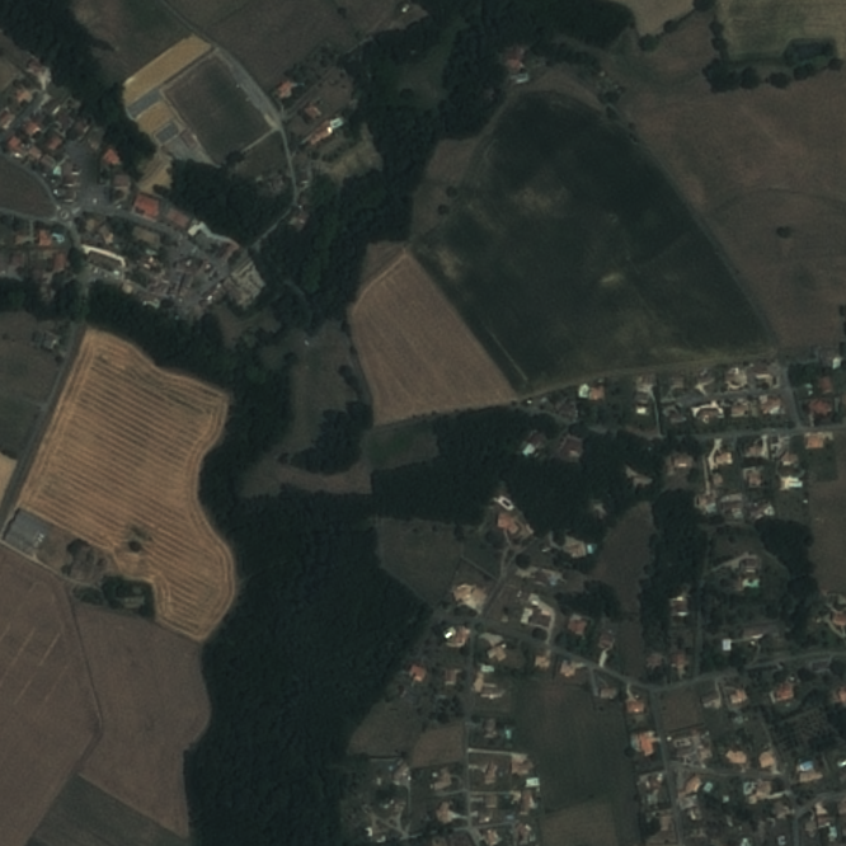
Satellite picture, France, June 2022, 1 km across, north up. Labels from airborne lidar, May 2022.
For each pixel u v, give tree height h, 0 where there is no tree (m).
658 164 0
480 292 0
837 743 12
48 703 0
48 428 0
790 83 13
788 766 0
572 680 0
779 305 0
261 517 17
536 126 0
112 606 7
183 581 0
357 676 16
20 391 0
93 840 0
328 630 16
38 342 9
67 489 0
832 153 0
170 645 0
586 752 0
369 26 0
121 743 0
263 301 17
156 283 0
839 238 0
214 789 23
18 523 0
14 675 0
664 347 0
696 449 16
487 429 14
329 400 0
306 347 0
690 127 0
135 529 0
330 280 30
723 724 0
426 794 0
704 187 0
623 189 0
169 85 0
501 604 0
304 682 11
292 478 0
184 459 0
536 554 0
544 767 0
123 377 0
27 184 0
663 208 0
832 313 0
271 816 25
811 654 0
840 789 7
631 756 8
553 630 0
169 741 0
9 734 0
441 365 0
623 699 8
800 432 0
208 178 21
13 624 0
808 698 14
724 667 10
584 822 0
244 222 15
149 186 0
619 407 7
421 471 14
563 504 19
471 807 0
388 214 18
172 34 0
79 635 0
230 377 14
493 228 0
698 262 0
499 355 0
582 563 16
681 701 0
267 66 0
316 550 26
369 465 0
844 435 0
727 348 0
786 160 0
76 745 0
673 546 17
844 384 0
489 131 0
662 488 14
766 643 10
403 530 0
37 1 19
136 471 0
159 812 0
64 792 0
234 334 0
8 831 0
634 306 0
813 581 16
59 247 0
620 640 0
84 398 0
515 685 0
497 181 0
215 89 0
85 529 0
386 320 0
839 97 0
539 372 0
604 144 0
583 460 15
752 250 0
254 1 0
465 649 13
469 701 0
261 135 0
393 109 20
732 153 0
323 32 0
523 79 0
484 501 15
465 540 6
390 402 0
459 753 0
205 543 0
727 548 0
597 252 0
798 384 8
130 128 20
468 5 21
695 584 12
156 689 0
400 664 13
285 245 20
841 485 0
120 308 6
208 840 14
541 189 0
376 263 0
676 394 6
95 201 0
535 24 19
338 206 19
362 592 13
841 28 0
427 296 0
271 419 13
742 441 6
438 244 0
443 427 13
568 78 0
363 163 0
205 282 0
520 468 18
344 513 23
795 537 19
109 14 0
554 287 0
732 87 14
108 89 8
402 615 17
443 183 0
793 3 0
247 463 9
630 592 0
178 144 0
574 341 0
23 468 0
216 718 6
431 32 14
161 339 18
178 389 0
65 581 0
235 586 0
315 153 8
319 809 18
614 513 14
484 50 22
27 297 20
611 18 6
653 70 0
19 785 0
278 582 6
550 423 17
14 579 0
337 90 0
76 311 28
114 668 0
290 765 19
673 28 13
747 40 0
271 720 11
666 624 11
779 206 0
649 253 0
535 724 0
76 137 10
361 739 0
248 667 26
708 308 0
